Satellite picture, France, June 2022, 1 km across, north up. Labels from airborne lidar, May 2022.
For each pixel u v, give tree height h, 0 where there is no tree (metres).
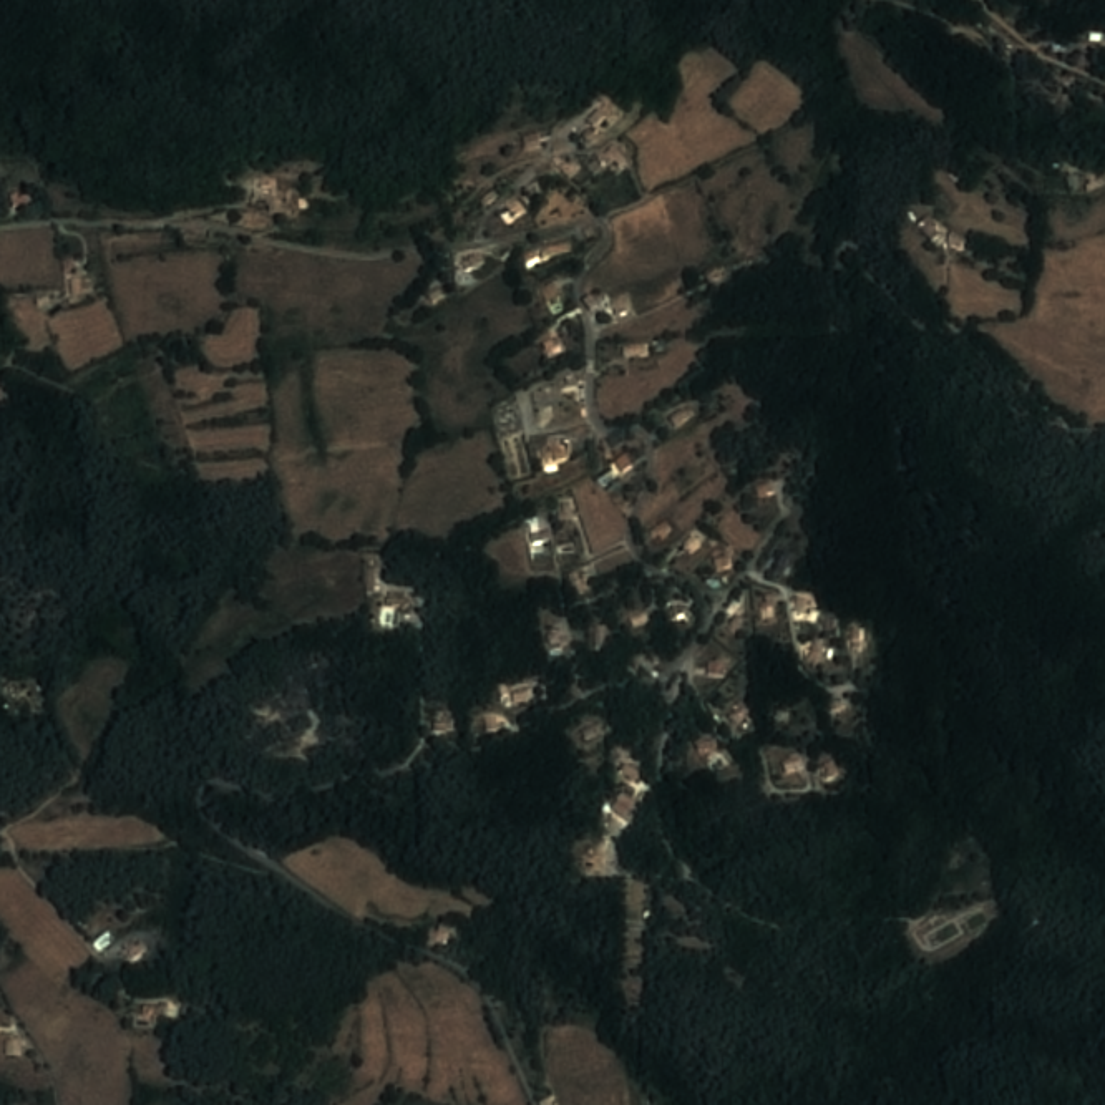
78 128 17
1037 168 7
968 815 13
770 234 9
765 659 15
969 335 7
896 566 22
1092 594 16
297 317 0
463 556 10
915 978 18
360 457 0
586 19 13
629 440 10
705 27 21
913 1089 23
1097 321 0
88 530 23
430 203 10
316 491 0
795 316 15
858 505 23
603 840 0
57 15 16
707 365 11
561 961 18
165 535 14
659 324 0
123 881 19
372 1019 0
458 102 21
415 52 19
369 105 22
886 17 9
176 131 20
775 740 14
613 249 0
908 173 17
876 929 15
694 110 0
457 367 0
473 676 14
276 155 11
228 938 21
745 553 8
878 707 15
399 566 19
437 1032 0
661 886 10
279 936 14
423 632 10
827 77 20
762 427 7
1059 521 18
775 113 0
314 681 7
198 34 20
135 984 11
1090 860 24
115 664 0
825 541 14
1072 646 17
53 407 9
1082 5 18
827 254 14
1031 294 13
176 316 0
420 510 0
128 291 0
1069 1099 12
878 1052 16
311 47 23
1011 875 12
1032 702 16
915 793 22
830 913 17
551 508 6
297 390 0
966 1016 11
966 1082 19
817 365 14
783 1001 10
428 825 17
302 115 25
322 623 8
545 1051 0
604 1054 0
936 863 16
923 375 14
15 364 8
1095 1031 17
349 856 0
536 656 9
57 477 8
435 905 0
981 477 16
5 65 20
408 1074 0
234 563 18
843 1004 14
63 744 23
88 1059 0
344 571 0
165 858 18
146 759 22
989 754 18
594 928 12
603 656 12
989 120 17
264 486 17
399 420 0
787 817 11
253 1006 17
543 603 13
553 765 15
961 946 0
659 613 8
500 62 21
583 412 0
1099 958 16
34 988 0
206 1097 9
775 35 13
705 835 7
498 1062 0
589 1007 8
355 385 0
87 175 19
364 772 11
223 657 0
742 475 10
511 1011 6
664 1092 9
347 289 0
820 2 30
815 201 13
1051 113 8
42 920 0
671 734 15
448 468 0
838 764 11
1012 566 16
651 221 0
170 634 25
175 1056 22
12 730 6
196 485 11
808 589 8
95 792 16
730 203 0
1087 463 19
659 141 0
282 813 16
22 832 0
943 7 14
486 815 17
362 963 20
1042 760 16
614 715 15
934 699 19
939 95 23
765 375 15
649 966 17
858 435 13
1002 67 13
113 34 9
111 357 6
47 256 0
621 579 8
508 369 9
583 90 21
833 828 15
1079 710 10
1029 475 20
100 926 0
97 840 0
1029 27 13
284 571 0
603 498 0
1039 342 0
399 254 10
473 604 12
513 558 0
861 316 17
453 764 21
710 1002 16
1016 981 16
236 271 9
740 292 14
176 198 17
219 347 0
